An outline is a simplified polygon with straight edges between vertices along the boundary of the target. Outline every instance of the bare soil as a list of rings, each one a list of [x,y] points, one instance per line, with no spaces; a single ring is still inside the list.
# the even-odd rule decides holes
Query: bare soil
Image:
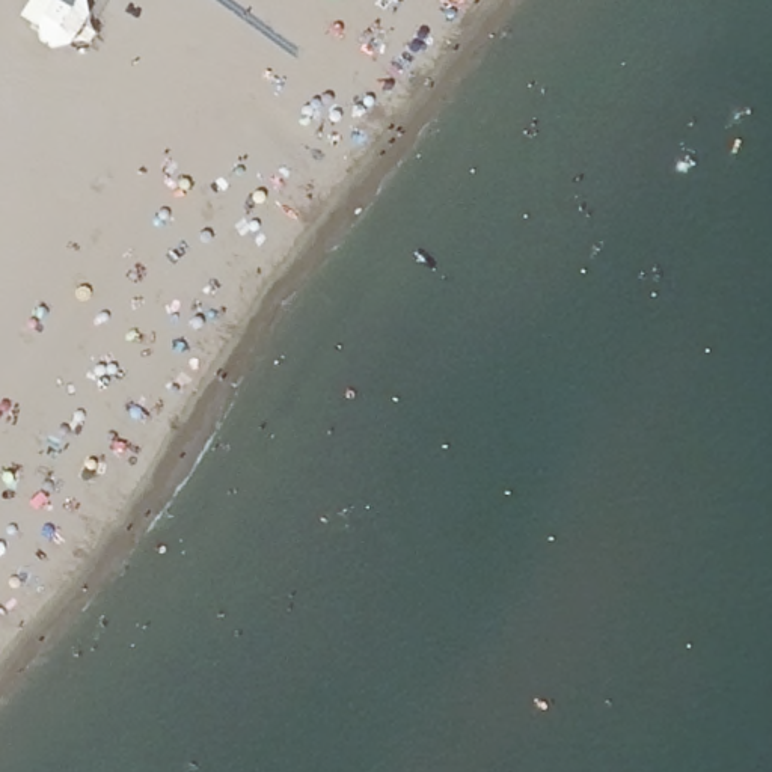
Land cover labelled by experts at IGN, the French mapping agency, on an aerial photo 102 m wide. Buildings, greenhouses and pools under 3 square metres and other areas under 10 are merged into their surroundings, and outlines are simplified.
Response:
[[[274,277],[286,271],[296,253],[308,244],[308,238],[314,238],[314,232],[329,220],[335,205],[344,199],[347,187],[365,175],[365,169],[374,160],[374,151],[389,139],[386,127],[392,124],[395,109],[407,93],[410,72],[431,66],[437,48],[443,42],[452,42],[470,0],[84,0],[87,18],[75,27],[72,42],[48,45],[42,42],[36,24],[24,18],[24,6],[30,0],[0,0],[0,660],[9,654],[18,636],[30,633],[30,624],[69,582],[78,582],[78,570],[93,561],[106,537],[127,522],[133,498],[145,489],[157,458],[169,443],[172,419],[190,416],[202,386],[217,374],[217,368],[223,368],[235,344],[241,341],[250,314],[259,308],[262,293],[271,286]]]

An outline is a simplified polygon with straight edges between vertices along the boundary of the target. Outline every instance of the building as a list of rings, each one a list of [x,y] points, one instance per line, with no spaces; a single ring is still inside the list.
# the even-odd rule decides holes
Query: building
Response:
[[[36,24],[42,42],[48,45],[72,42],[75,27],[87,18],[84,0],[30,0],[24,6],[24,18]]]

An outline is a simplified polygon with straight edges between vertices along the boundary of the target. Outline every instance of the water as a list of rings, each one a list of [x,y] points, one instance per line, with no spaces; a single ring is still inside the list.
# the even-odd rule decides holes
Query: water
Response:
[[[190,416],[172,419],[169,443],[157,458],[145,489],[133,498],[127,522],[106,537],[93,561],[78,570],[78,582],[69,582],[30,624],[30,633],[18,636],[9,654],[0,660],[0,772],[772,772],[772,0],[470,0],[452,42],[443,42],[437,48],[431,66],[410,72],[407,93],[395,109],[392,124],[386,127],[389,139],[374,151],[374,160],[365,169],[365,175],[347,187],[344,199],[335,205],[329,220],[314,232],[314,238],[308,238],[308,244],[296,253],[286,271],[274,277],[271,286],[262,293],[259,308],[250,314],[241,341],[235,344],[223,368],[217,368],[217,374],[202,386]]]

